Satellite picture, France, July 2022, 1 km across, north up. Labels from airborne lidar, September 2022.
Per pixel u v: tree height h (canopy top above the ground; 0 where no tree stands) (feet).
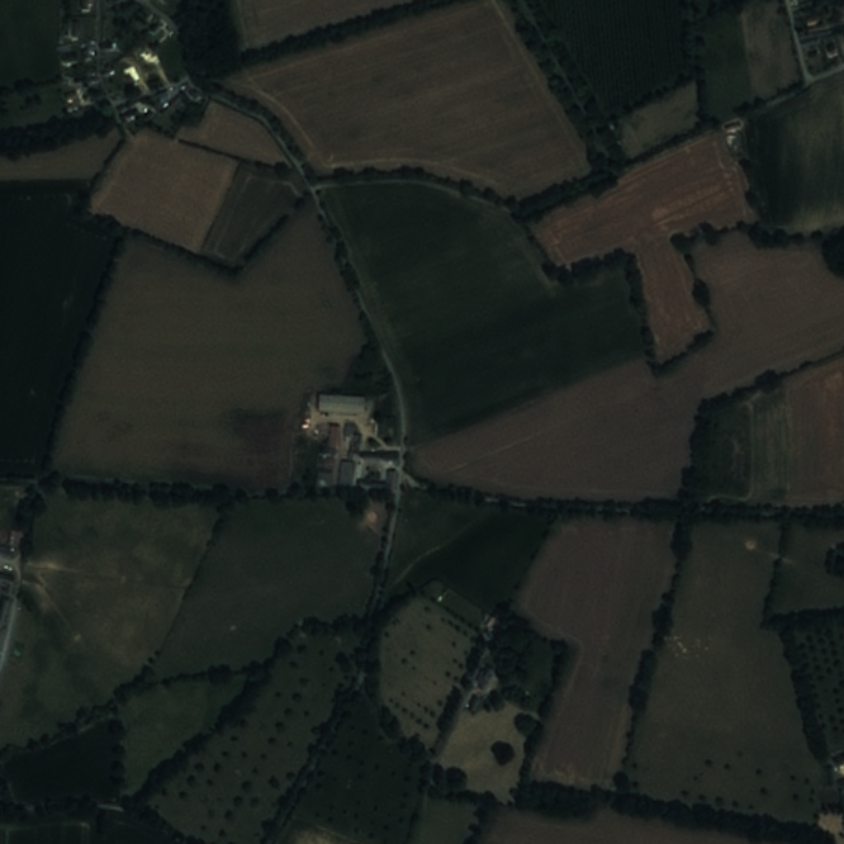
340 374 0
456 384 0
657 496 0
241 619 0
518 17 31
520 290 0
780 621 52
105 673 0
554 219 0
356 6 0
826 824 0
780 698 0
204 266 40
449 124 0
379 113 0
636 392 0
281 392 0
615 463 0
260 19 0
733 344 0
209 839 0
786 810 0
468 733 0
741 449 0
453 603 0
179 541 0
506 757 55
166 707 0
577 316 0
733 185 0
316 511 0
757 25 0
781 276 0
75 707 0
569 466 0
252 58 49
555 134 0
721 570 0
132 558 0
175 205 0
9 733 0
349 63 0
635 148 0
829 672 26
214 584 0
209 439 0
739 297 0
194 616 0
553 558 0
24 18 0
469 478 0
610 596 0
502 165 0
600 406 0
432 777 42
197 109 27
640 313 47
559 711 0
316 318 0
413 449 0
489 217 0
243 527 0
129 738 0
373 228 0
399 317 0
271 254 0
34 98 27
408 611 0
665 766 0
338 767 0
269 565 0
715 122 48
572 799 56
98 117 78
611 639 0
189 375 0
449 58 0
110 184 0
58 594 0
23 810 45
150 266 0
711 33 0
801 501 0
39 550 0
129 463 0
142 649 0
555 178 0
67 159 0
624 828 0
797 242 41
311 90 0
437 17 0
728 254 0
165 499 76
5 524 0
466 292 0
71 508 0
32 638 0
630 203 0
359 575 0
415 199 0
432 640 0
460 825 0
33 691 0
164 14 0
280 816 27
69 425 0
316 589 0
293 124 0
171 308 0
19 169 0
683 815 83
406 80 0
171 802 0
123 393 0
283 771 0
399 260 0
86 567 0
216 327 0
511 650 80
